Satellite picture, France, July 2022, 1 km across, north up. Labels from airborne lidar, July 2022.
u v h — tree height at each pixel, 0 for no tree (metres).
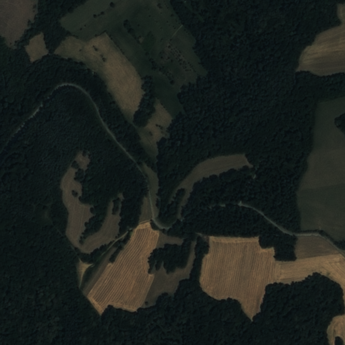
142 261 0
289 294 22
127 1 0
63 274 18
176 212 15
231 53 22
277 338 23
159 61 0
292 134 25
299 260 0
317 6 16
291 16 23
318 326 21
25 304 21
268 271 0
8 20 0
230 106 12
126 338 23
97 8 0
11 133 22
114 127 20
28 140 22
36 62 10
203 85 21
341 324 0
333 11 15
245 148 22
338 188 0
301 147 22
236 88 31
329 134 0
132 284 0
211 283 0
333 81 17
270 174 18
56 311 23
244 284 0
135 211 26
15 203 13
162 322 24
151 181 0
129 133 24
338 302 21
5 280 23
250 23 20
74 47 0
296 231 16
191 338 19
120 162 21
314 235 0
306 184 0
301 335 23
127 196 19
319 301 19
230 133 22
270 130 24
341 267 0
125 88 0
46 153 22
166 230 10
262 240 21
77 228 0
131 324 21
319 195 0
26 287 18
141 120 28
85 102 23
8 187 17
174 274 0
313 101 19
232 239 0
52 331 24
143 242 0
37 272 21
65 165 19
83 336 25
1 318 21
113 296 0
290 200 20
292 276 0
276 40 22
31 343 18
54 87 13
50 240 18
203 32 24
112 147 18
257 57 11
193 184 0
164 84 0
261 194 19
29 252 18
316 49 0
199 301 24
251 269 0
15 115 27
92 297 0
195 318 25
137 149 11
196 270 19
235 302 19
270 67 25
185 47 0
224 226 22
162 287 0
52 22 25
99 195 21
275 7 33
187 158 19
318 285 22
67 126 19
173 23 0
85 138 21
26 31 6
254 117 23
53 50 16
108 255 0
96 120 24
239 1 28
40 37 0
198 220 15
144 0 0
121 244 20
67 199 0
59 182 11
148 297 0
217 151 18
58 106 20
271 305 26
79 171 7
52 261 20
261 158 22
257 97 22
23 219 14
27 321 22
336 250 0
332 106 0
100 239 0
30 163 23
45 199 16
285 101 27
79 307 20
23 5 0
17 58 12
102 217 17
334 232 0
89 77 20
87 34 0
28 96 24
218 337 22
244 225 25
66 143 19
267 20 22
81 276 0
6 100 14
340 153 0
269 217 20
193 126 31
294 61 18
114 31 0
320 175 0
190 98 30
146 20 0
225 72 30
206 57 20
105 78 0
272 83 18
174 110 0
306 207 0
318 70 0
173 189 8
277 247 20
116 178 21
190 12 18
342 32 0
